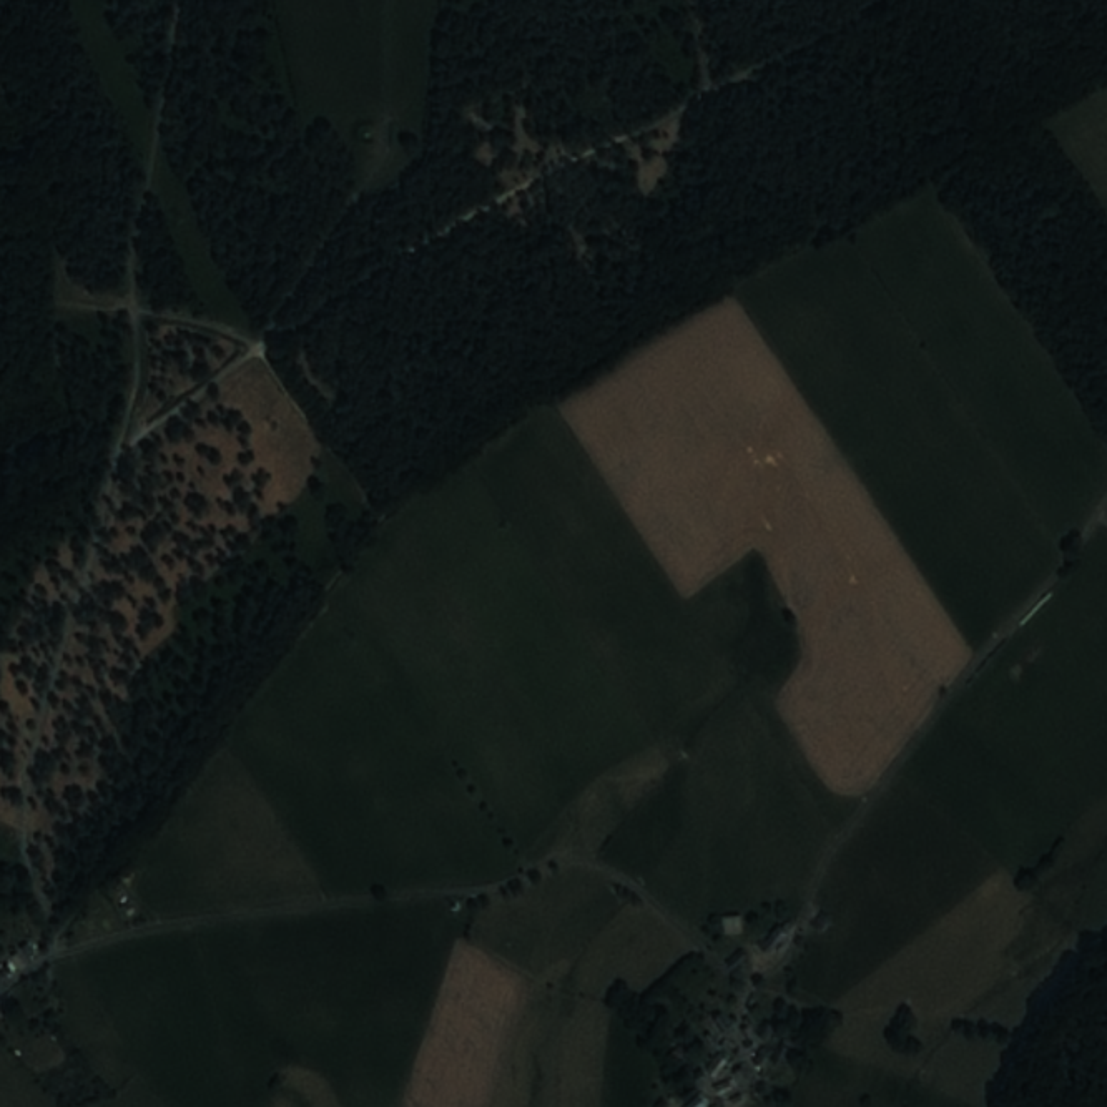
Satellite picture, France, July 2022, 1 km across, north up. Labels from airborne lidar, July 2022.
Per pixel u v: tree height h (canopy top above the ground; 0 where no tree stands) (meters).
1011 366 0
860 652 0
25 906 11
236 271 11
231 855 0
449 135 15
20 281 21
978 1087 0
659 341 0
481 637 0
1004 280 20
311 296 19
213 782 0
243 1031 0
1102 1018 24
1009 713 0
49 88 18
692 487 0
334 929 0
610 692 0
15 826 0
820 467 0
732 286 11
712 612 0
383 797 0
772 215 21
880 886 0
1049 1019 27
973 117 26
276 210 19
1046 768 0
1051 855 6
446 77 17
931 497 0
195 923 0
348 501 0
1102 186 0
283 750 0
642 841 0
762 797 0
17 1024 12
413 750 0
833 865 0
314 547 0
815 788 0
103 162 21
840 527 0
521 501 0
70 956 0
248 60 21
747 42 17
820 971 0
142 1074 0
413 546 0
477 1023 0
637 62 15
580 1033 0
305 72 0
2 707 10
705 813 0
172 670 12
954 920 0
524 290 17
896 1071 0
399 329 17
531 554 0
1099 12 19
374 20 0
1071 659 0
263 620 12
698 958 8
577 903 0
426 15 0
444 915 0
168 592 13
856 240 9
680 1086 12
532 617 0
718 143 18
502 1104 0
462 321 18
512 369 20
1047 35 18
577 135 18
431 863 0
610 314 22
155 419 0
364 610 0
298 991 0
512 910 0
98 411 18
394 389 22
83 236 18
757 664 0
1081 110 0
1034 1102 18
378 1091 0
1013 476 0
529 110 16
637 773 0
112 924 0
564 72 15
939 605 0
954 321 0
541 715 0
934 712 0
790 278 0
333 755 0
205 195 15
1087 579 0
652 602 0
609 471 0
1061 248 22
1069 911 0
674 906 0
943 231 0
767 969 0
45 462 26
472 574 0
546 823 0
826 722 0
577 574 0
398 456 21
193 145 16
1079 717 0
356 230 12
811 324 0
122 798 22
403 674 0
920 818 0
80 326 0
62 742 14
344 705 0
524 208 13
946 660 0
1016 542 0
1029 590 0
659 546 0
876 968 0
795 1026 18
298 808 0
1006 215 20
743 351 0
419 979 0
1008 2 18
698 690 0
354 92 0
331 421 16
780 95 11
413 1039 0
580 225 19
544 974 0
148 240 17
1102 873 0
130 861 22
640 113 17
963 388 0
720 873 0
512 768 0
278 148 19
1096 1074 24
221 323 0
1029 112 22
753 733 0
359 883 0
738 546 0
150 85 16
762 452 0
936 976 0
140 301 0
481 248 17
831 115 23
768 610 0
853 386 0
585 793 0
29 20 25
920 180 20
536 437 0
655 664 0
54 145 15
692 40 15
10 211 25
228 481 11
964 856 0
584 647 0
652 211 17
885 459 0
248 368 0
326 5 0
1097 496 0
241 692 17
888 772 0
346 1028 0
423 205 17
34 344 22
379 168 0
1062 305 25
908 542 0
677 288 20
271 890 0
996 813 0
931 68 17
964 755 0
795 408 0
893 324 0
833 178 18
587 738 0
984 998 0
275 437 0
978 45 24
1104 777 0
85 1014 0
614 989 8
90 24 0
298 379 21
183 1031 0
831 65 17
